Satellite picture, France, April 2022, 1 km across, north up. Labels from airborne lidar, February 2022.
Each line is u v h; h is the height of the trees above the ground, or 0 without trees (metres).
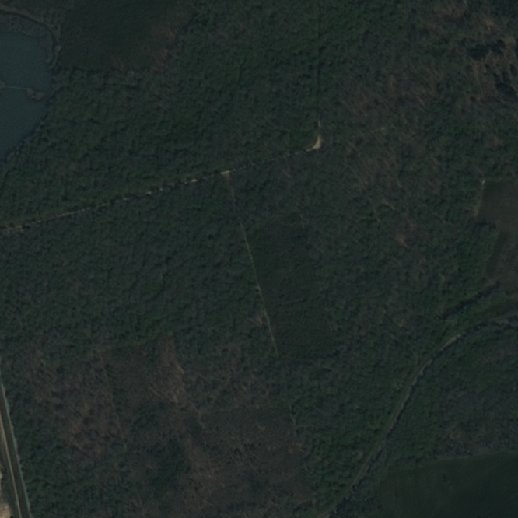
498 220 0
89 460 25
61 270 26
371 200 25
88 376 23
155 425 7
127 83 19
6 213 26
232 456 9
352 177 26
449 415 19
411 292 23
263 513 18
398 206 27
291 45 26
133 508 23
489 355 27
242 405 25
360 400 21
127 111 24
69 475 22
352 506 21
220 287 26
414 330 23
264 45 30
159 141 20
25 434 25
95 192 25
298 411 20
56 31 13
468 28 25
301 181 28
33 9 20
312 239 22
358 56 17
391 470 12
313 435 21
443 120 25
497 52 20
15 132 0
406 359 25
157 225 25
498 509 0
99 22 7
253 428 7
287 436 8
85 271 27
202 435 12
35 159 22
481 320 24
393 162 30
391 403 24
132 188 21
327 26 26
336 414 27
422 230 22
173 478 6
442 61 29
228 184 21
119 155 25
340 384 28
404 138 27
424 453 24
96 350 23
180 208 27
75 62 6
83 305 25
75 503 26
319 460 21
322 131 29
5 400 0
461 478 0
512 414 18
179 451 11
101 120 26
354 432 20
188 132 21
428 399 16
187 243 30
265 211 24
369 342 22
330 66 24
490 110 28
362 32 27
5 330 22
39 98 0
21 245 29
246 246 18
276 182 24
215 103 24
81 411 29
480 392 25
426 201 24
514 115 27
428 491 0
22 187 24
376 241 23
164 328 25
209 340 28
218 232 30
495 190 0
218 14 25
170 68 28
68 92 20
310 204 28
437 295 23
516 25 21
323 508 15
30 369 27
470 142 27
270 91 25
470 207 25
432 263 25
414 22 30
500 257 0
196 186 25
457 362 26
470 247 26
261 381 27
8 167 23
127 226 25
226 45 30
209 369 25
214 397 26
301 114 27
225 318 27
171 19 6
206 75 24
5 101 0
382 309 25
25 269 23
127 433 9
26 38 0
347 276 25
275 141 24
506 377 25
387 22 23
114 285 27
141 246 25
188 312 24
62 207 19
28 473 14
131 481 27
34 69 0
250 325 22
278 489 10
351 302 29
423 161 25
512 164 21
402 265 26
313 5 26
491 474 0
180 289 26
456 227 25
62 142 24
